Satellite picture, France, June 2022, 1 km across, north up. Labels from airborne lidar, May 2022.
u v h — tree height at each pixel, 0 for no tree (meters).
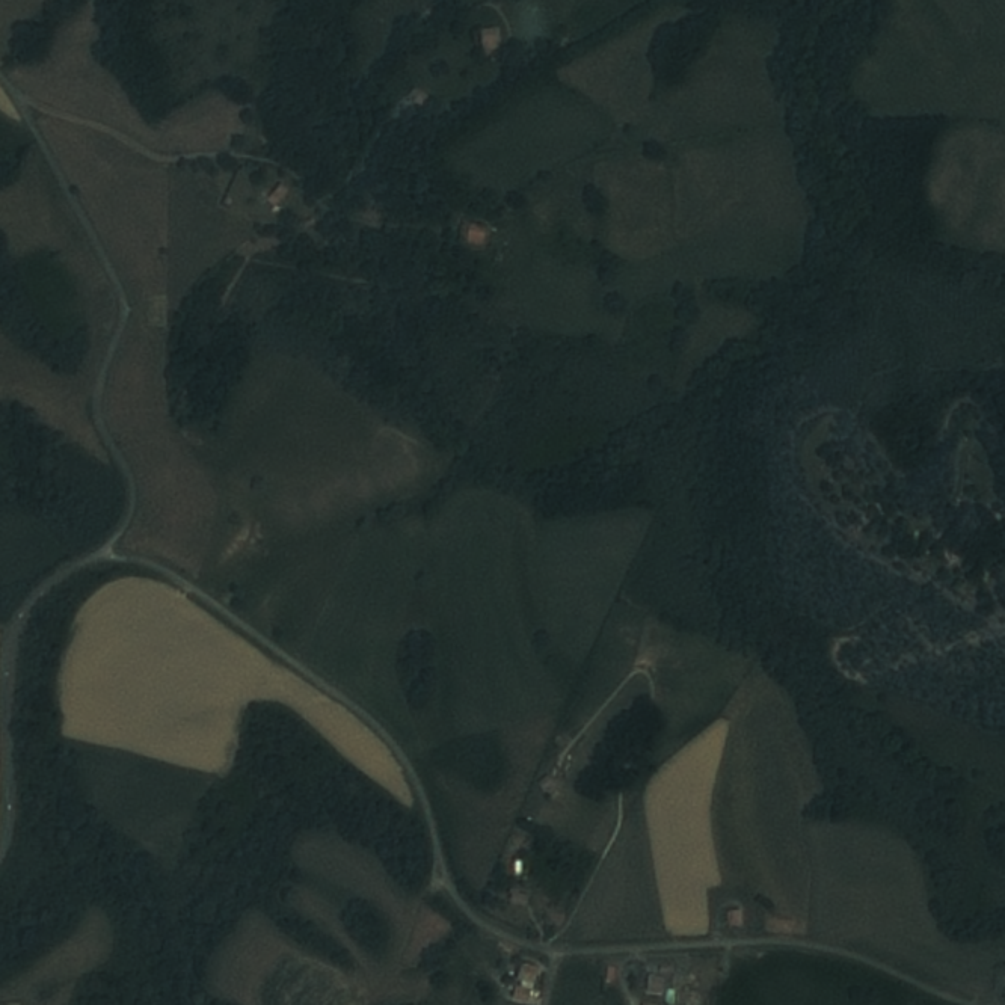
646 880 0
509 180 0
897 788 10
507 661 0
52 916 10
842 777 11
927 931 0
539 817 0
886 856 0
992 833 12
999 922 8
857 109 15
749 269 0
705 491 7
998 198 0
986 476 0
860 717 12
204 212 0
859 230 17
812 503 24
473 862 0
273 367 0
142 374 0
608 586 0
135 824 0
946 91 0
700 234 0
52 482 8
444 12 17
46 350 8
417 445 0
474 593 0
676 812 0
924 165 17
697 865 0
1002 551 15
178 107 6
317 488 0
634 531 0
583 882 0
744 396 25
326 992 0
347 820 15
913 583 24
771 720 0
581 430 0
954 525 13
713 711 0
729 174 0
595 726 0
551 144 0
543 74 10
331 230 13
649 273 0
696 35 20
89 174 0
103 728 0
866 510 13
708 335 0
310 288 11
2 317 8
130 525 0
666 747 0
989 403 14
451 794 0
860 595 25
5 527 0
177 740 0
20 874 8
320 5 24
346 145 18
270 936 0
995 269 9
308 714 0
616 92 0
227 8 0
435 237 9
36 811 11
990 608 14
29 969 0
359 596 0
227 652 0
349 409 0
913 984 0
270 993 0
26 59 16
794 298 16
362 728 0
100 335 0
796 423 22
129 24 11
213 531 0
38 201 0
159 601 0
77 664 0
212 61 0
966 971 0
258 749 11
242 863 20
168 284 0
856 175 21
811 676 17
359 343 24
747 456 17
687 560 12
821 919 0
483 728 0
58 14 19
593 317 0
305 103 24
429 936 0
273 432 0
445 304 24
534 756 0
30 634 8
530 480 10
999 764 0
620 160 0
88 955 0
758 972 0
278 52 7
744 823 0
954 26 0
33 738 13
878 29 18
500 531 0
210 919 13
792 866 0
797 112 22
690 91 0
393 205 20
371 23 0
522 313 0
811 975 0
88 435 0
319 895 0
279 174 7
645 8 10
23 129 0
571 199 0
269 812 13
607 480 19
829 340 7
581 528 0
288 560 0
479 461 16
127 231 0
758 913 0
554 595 0
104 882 13
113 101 0
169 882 7
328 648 0
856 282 16
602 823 0
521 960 8
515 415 7
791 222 0
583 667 0
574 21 0
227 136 0
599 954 0
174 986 18
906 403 7
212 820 9
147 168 0
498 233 0
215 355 23
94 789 0
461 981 0
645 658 0
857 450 25
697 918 0
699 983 0
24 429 8
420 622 0
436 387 9
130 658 0
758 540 9
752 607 15
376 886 0
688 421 9
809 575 22
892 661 22
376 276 12
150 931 18
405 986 0
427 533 0
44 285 0
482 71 0
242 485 0
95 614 0
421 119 12
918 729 0
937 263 14
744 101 0
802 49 22
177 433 0
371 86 15
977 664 21
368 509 0
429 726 0
